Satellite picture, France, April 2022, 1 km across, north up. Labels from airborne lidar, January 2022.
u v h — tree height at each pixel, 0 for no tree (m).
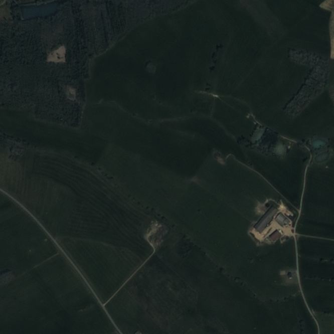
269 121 0
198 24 0
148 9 14
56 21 20
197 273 0
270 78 0
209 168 0
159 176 0
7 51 15
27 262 0
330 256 0
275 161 0
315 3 0
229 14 0
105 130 0
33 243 0
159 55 0
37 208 0
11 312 0
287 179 0
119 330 0
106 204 0
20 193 0
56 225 0
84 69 7
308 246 0
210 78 0
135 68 0
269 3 0
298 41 0
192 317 0
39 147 0
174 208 0
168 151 0
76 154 0
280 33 0
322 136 0
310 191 0
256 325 0
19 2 22
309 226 0
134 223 0
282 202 0
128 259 0
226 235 0
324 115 0
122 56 0
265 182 0
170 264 0
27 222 0
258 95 0
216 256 0
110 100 0
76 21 10
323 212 0
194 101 0
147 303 0
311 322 0
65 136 0
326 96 0
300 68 0
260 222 0
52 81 14
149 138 0
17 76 14
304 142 14
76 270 0
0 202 0
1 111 0
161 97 0
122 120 0
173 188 0
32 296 0
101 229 0
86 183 0
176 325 0
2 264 0
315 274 0
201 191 0
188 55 0
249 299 0
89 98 0
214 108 0
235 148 0
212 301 0
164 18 0
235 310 0
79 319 0
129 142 0
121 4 21
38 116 8
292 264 0
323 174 0
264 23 0
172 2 15
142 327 0
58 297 0
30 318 0
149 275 0
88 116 0
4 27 17
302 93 16
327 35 0
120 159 0
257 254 0
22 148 15
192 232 0
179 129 0
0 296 0
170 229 0
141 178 0
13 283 0
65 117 12
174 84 0
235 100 0
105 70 0
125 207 0
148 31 0
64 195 0
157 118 0
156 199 0
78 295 0
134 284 0
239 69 0
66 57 11
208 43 0
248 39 0
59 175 0
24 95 14
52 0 0
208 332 0
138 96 0
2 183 0
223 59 0
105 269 0
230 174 0
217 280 0
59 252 0
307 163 16
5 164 0
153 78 0
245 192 0
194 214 0
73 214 0
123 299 0
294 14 0
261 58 0
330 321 0
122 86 0
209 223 0
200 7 0
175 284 0
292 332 0
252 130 0
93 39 13
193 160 0
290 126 0
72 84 7
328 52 0
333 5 0
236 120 0
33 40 13
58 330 0
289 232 0
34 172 0
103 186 0
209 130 0
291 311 0
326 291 0
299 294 0
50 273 0
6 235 0
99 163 0
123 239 0
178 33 0
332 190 0
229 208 0
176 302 0
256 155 0
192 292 0
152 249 0
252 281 0
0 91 11
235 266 0
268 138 17
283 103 0
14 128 0
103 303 0
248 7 0
